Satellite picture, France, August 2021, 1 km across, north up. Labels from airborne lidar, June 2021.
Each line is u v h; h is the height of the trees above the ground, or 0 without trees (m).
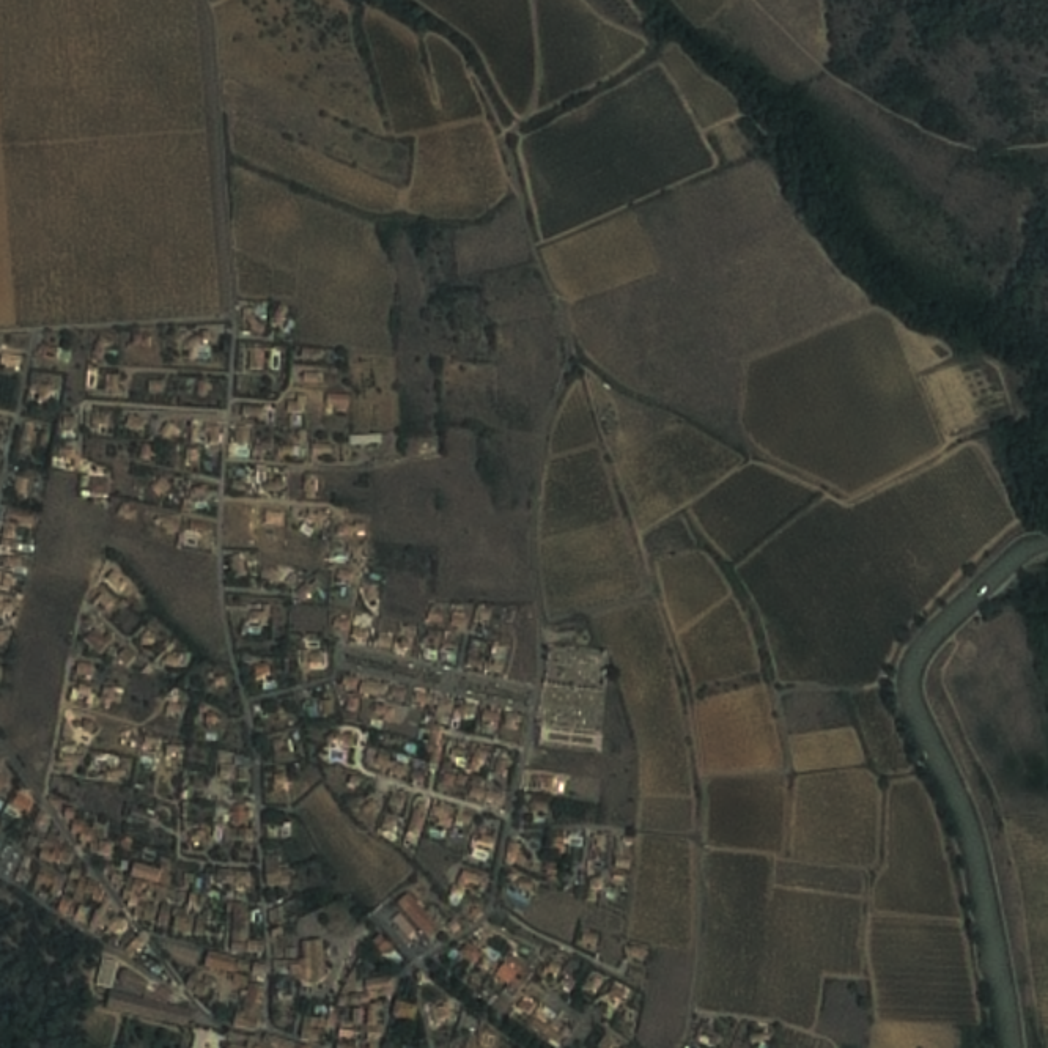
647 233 0
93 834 0
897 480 0
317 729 0
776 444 0
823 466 0
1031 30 7
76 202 0
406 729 0
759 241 0
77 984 9
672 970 0
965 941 0
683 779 0
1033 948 0
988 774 0
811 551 0
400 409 0
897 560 0
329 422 0
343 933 0
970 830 0
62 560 0
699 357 0
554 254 0
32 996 16
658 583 0
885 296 15
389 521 0
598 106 0
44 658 0
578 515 0
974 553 0
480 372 0
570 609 0
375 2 20
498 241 0
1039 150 0
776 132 21
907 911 0
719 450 0
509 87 0
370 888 0
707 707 0
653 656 0
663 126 0
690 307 0
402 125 0
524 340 0
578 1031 0
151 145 0
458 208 0
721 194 0
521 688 0
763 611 0
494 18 0
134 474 6
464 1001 16
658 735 0
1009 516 0
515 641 0
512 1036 15
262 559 0
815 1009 0
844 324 0
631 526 0
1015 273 12
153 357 0
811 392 0
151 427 0
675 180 0
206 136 0
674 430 0
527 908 0
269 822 12
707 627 0
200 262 0
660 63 0
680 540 0
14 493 8
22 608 0
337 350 7
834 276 0
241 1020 0
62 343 8
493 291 0
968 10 14
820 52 0
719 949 0
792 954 0
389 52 0
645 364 0
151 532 0
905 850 0
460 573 0
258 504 0
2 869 0
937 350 0
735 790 0
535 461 0
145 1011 0
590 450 0
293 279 0
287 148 0
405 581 0
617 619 0
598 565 0
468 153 0
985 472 0
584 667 0
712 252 0
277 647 7
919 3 7
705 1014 0
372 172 0
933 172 0
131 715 0
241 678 7
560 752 0
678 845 0
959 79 0
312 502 0
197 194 0
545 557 0
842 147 8
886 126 0
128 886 0
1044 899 0
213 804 8
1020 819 0
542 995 0
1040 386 11
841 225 18
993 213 0
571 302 0
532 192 0
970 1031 0
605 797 0
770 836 0
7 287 0
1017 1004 0
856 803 0
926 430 0
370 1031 0
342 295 0
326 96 0
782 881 0
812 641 0
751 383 0
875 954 0
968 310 13
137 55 0
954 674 0
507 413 0
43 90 0
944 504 0
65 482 0
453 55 0
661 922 0
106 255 0
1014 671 0
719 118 0
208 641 0
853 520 0
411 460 0
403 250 0
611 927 0
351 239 0
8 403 8
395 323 6
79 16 0
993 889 0
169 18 0
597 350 0
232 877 0
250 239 0
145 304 0
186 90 0
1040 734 0
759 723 0
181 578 0
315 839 0
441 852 0
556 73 0
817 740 0
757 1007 0
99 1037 0
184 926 0
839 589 0
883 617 0
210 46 0
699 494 0
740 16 0
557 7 0
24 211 0
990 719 0
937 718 0
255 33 0
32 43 0
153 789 0
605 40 0
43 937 8
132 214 0
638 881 0
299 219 0
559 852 8
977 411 0
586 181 0
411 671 0
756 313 0
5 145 0
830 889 0
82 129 0
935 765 0
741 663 0
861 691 0
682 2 0
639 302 0
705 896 0
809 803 0
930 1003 0
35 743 0
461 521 0
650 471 0
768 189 0
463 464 0
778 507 0
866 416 0
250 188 0
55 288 0
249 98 0
